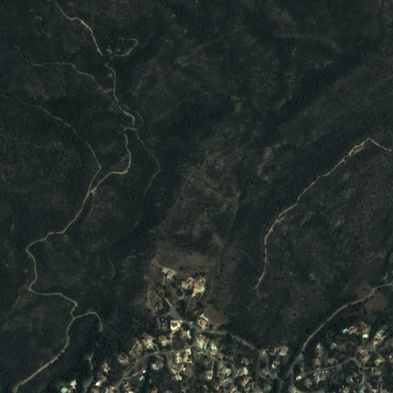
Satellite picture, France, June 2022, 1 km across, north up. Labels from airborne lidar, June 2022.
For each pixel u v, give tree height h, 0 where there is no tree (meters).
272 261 9
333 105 0
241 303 7
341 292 8
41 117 9
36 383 12
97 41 7
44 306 0
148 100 0
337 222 0
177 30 0
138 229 7
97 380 7
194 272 0
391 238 0
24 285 0
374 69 6
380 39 0
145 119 10
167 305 12
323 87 6
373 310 7
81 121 10
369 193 0
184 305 9
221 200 0
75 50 6
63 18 7
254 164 0
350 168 0
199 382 8
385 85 0
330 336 9
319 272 8
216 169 0
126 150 7
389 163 0
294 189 6
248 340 9
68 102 7
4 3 7
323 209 8
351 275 0
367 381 7
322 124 0
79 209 7
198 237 0
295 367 8
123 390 9
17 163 9
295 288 0
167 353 0
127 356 7
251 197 0
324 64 0
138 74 0
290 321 7
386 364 7
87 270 0
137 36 7
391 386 8
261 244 0
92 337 7
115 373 16
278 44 6
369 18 0
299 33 0
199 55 6
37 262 8
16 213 11
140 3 7
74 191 9
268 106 0
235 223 0
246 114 0
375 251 6
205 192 0
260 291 6
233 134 0
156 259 0
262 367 11
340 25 0
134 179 11
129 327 13
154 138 0
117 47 7
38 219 7
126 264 0
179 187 7
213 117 14
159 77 0
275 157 0
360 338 12
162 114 0
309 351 9
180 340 7
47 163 8
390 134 7
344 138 7
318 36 0
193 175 0
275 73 6
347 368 9
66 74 9
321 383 8
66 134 8
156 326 10
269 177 0
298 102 9
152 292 0
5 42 7
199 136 0
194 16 9
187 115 7
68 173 8
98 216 0
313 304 0
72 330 8
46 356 0
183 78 0
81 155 8
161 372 6
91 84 0
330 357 9
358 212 0
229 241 0
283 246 7
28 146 7
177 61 0
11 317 0
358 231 0
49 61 8
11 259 0
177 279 6
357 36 6
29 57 7
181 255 0
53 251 0
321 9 7
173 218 0
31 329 0
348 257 0
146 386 7
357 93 0
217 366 8
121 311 13
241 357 12
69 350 7
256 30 9
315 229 6
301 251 6
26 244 8
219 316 0
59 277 0
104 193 0
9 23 7
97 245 0
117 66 9
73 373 18
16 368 0
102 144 9
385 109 6
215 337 7
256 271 10
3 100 6
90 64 10
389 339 7
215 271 0
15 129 9
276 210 6
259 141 8
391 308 0
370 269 0
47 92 8
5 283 10
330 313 16
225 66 7
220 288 5
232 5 7
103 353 10
